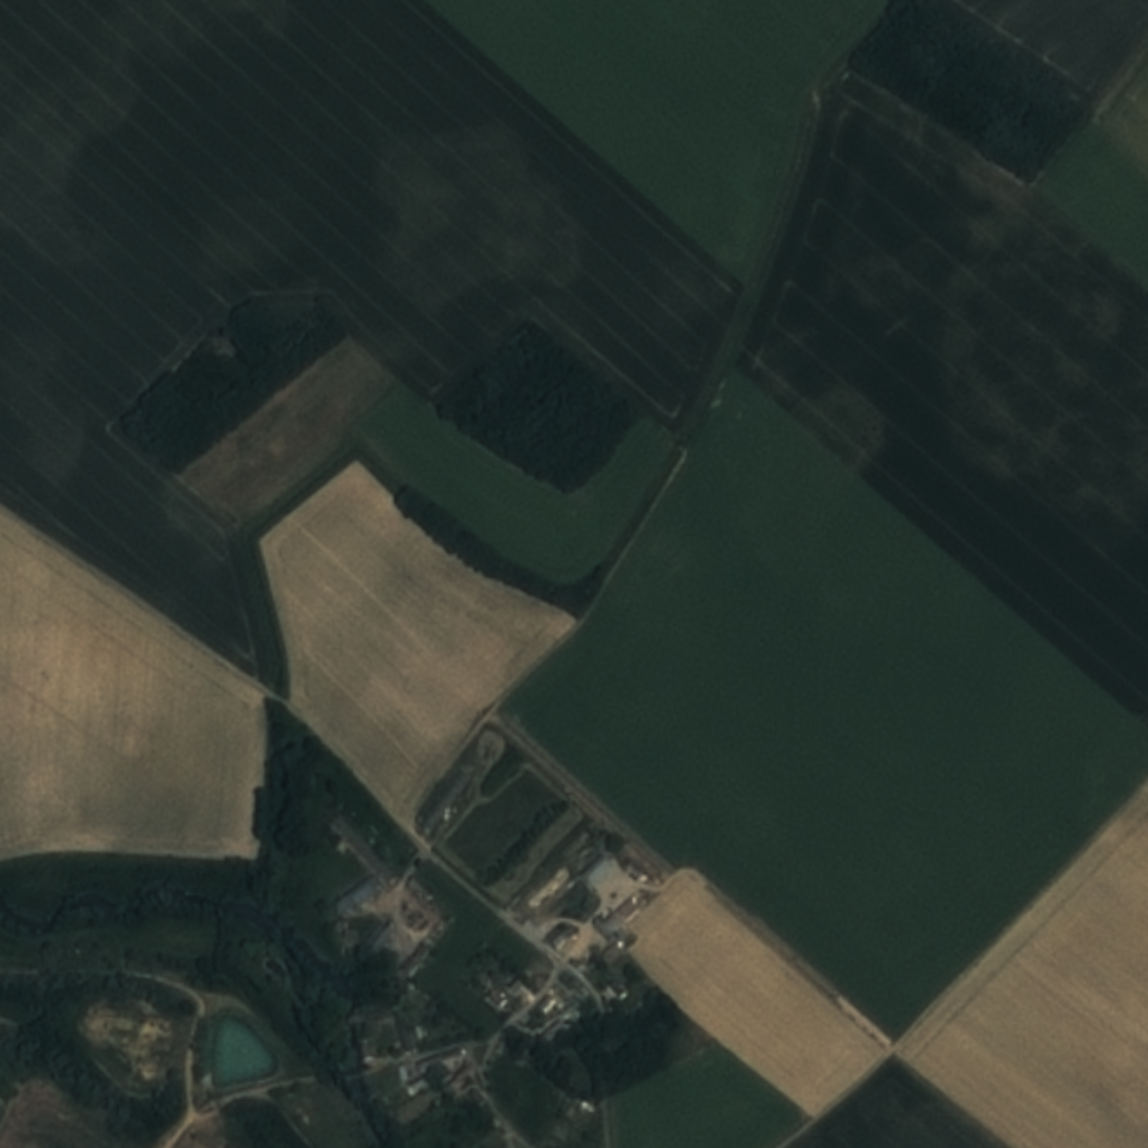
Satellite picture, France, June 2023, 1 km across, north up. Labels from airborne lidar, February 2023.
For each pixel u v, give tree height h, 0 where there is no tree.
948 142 0
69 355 0
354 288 0
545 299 0
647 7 0
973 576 0
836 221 0
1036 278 0
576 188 0
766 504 0
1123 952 0
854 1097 0
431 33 0
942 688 0
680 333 0
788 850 0
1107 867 0
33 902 0
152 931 0
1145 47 0
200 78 0
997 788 0
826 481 0
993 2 0
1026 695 0
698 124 0
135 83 0
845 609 0
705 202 0
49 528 0
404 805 0
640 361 0
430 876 0
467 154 0
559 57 0
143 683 0
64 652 0
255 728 0
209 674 0
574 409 16
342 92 0
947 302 0
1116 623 0
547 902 0
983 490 0
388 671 0
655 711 0
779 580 0
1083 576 0
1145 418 0
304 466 0
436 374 0
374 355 0
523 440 16
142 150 0
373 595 0
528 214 0
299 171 0
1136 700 0
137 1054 0
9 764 0
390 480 0
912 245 0
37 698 0
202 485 0
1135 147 0
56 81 0
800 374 0
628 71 0
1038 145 12
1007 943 0
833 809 0
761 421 0
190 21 0
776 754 0
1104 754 0
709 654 0
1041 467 0
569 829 0
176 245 0
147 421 10
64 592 0
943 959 0
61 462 0
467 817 0
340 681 0
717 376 0
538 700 0
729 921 0
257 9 0
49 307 0
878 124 0
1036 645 0
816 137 0
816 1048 0
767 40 0
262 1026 0
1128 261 0
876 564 0
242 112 0
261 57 0
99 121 0
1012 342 0
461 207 0
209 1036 0
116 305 0
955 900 0
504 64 0
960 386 0
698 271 0
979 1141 0
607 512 0
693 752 0
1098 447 0
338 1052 12
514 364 17
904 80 13
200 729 0
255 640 0
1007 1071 0
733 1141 0
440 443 0
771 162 0
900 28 11
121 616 0
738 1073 0
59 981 13
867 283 0
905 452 0
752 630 0
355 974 11
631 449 0
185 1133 0
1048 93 17
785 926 0
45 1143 0
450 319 0
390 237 0
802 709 0
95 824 0
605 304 0
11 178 0
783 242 0
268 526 0
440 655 0
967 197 0
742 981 0
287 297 0
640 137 0
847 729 0
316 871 0
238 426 12
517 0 0
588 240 0
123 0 0
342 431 0
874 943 0
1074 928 0
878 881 0
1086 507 0
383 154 0
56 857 0
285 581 0
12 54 0
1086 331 0
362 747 0
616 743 0
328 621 0
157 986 8
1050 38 0
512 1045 13
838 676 0
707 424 0
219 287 0
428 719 0
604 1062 14
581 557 0
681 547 0
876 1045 0
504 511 0
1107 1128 0
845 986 0
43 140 0
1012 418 0
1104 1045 0
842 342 0
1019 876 0
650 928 0
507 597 0
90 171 0
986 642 0
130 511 0
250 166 0
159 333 0
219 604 0
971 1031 0
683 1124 0
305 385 0
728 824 0
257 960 10
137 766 0
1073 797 0
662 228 0
